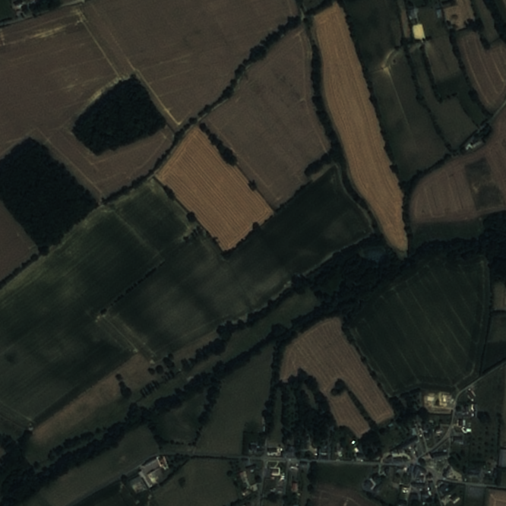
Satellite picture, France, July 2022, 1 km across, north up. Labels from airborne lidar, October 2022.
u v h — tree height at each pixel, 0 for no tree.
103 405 0
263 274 0
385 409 0
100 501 0
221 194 0
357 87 0
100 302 0
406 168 0
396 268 18
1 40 0
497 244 26
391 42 0
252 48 0
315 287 24
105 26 0
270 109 0
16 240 0
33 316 0
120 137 21
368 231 0
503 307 0
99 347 0
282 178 0
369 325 0
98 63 0
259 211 0
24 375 0
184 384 0
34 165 27
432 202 0
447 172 0
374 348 0
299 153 0
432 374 0
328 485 0
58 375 0
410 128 0
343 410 0
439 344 0
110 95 14
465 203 0
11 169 25
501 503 0
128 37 0
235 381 0
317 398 19
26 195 28
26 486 25
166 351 0
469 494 0
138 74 0
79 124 17
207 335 0
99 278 0
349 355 0
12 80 0
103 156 0
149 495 0
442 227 0
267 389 0
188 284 0
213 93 0
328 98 0
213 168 0
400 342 0
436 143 0
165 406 19
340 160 9
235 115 0
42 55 0
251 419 0
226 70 0
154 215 0
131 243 0
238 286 0
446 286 0
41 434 0
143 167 0
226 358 0
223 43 0
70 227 17
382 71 0
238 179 0
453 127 0
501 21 16
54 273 0
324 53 0
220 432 0
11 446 21
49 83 0
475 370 0
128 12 0
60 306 0
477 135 13
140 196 0
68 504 0
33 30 0
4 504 15
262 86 0
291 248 0
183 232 0
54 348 0
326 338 0
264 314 13
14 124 0
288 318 0
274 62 0
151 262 0
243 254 0
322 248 0
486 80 0
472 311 0
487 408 0
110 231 0
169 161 0
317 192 0
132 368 0
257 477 9
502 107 0
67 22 0
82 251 0
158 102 0
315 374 0
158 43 0
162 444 8
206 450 0
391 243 0
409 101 0
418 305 0
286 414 15
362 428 0
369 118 0
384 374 0
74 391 0
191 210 0
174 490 0
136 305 0
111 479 0
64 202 26
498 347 0
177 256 0
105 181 0
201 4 0
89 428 0
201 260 0
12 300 0
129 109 23
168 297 0
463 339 0
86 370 0
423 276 0
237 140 0
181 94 0
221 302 0
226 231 0
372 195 0
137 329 0
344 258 17
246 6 0
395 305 0
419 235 0
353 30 12
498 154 0
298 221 0
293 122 0
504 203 0
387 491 0
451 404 0
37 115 0
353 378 0
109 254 0
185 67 0
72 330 0
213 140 20
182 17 0
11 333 0
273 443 0
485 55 0
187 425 0
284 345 14
